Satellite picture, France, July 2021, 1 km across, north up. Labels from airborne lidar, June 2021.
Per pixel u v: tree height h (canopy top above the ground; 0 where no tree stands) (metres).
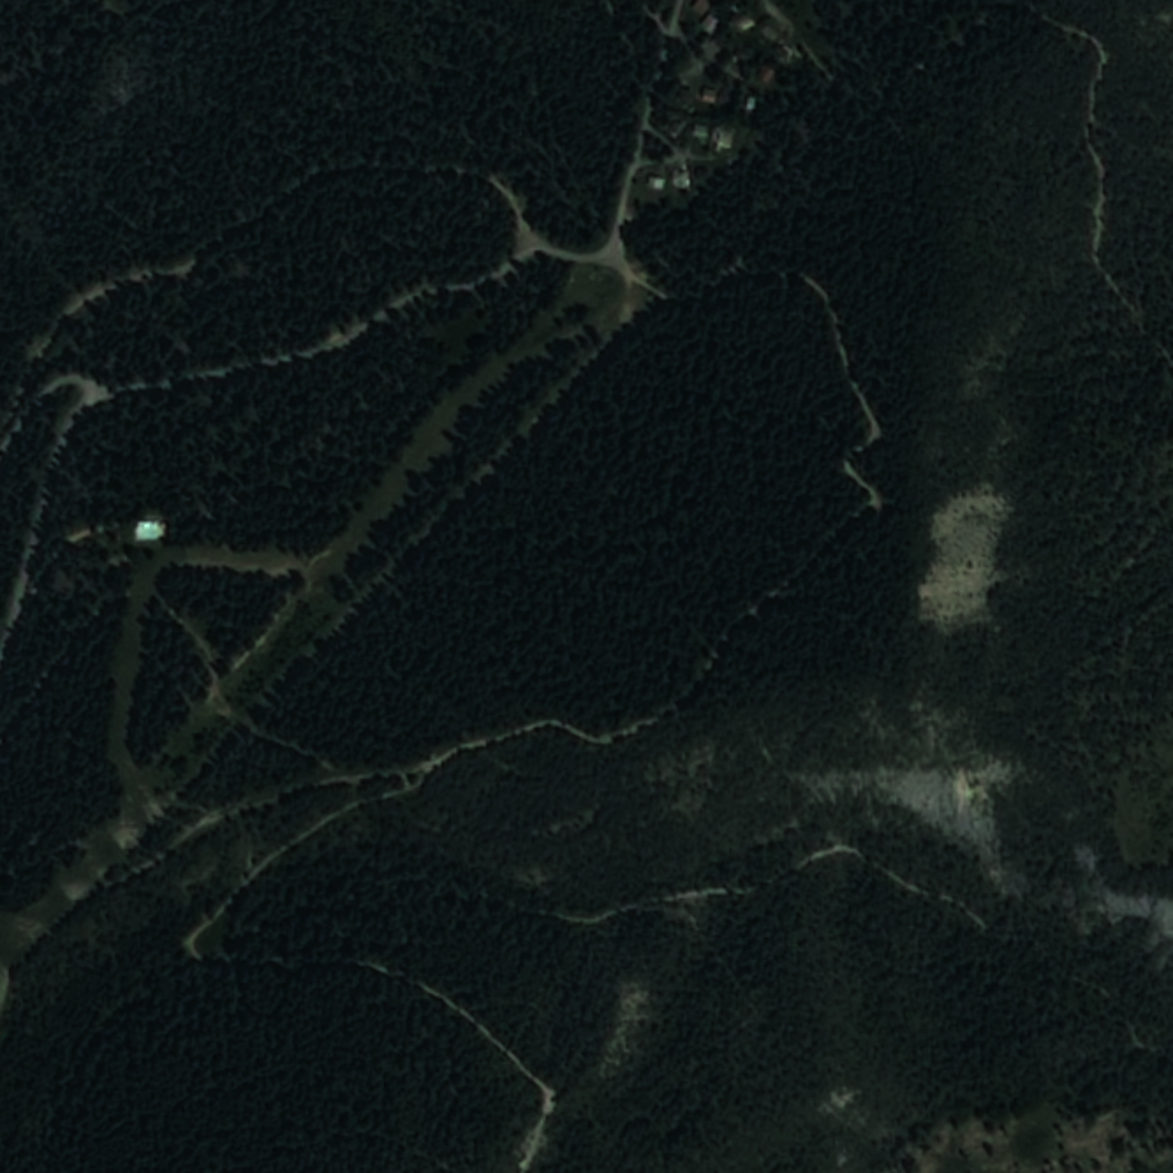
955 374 8
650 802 10
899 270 12
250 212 26
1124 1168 0
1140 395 18
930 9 11
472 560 27
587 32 11
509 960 14
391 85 30
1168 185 8
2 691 19
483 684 16
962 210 10
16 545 18
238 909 21
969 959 12
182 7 16
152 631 29
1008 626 6
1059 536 10
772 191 24
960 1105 19
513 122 25
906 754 6
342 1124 16
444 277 12
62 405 7
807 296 24
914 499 10
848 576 17
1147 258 12
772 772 9
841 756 6
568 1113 7
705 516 26
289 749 16
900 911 8
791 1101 8
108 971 21
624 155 28
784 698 10
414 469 0
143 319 8
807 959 6
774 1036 11
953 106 14
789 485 19
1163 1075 13
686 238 22
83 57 10
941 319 8
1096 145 10
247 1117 24
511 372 0
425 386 26
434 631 27
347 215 19
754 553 28
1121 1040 9
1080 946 8
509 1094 6
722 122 12
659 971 9
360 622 22
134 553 18
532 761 9
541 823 14
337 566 0
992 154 7
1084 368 15
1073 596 8
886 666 12
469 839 8
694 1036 15
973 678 9
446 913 23
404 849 14
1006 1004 19
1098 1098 22
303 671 23
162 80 11
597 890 10
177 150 21
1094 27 8
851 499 22
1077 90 9
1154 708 11
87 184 9
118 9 7
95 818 12
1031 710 8
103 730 16
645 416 25
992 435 6
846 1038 10
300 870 20
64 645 28
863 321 22
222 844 9
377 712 19
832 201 26
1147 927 11
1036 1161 0
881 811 6
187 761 10
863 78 26
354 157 24
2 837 14
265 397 27
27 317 18
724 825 9
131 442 11
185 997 17
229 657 30
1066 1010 13
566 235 30
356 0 11
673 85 23
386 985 19
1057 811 7
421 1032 28
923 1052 8
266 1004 23
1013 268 8
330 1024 25
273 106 23
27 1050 19
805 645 21
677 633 14
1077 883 12
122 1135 17
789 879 9
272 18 27
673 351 28
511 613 9
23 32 23
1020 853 11
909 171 16
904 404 18
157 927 20
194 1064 18
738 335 27
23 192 19
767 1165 10
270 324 25
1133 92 11
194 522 26
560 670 26
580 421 23
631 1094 12
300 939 27
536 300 21
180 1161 21
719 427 27
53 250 8
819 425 27
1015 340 8
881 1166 12
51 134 29
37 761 22
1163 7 7
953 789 0
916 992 8
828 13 20
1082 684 9
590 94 21
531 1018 11
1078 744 7
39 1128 14
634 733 6
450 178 27
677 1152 11
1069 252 7
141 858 7
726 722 8
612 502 23
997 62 13
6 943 0
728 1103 12
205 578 26
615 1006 9
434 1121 21
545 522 27
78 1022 20
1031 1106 19
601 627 29
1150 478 11
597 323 0
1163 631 9
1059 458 8
